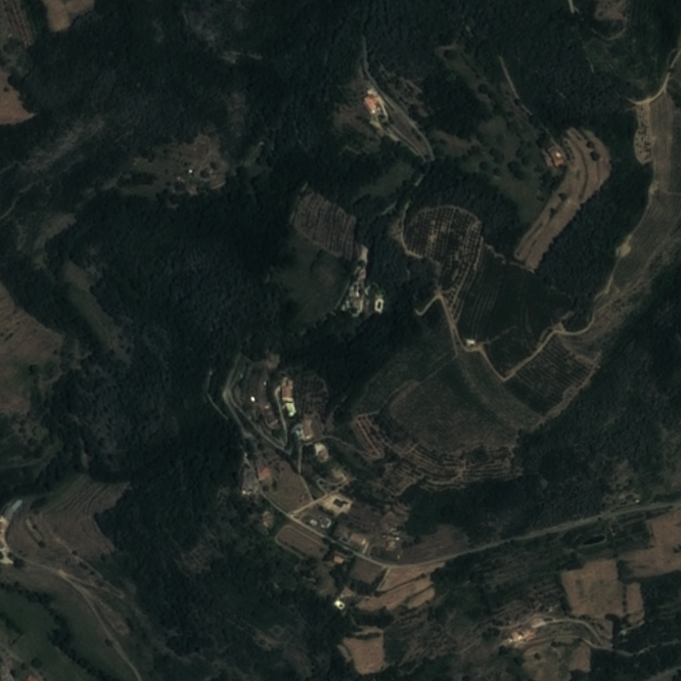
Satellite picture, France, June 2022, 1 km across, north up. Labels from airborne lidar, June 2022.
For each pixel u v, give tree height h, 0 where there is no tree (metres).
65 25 0
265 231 9
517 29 15
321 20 9
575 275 18
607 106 19
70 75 9
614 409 14
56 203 9
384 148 10
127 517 16
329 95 12
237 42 8
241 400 0
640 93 10
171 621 9
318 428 0
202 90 16
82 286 0
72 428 23
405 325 18
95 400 7
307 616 10
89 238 21
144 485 7
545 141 15
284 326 6
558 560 9
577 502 12
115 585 6
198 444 14
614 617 10
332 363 15
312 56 10
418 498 7
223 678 10
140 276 11
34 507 6
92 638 0
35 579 0
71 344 11
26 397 0
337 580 11
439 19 13
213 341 15
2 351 0
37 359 0
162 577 14
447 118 15
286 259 16
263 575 8
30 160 11
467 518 6
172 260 19
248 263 15
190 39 11
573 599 0
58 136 11
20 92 8
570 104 10
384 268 16
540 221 0
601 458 10
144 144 12
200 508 8
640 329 6
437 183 20
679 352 12
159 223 18
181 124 10
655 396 9
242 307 20
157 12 13
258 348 14
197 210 13
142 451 15
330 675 11
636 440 15
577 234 15
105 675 21
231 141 7
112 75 14
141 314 7
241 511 7
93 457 9
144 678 0
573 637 0
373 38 14
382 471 8
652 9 8
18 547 0
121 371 8
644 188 6
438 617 8
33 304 18
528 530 14
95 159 11
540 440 8
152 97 9
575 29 13
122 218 14
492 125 0
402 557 0
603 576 0
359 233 17
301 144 8
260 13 7
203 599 8
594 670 8
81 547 0
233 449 17
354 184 19
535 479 6
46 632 0
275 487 5
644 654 7
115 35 12
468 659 0
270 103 21
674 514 0
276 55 8
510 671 7
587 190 0
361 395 10
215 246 18
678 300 17
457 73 9
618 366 15
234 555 8
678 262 7
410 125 0
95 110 8
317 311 0
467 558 10
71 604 0
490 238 11
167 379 11
